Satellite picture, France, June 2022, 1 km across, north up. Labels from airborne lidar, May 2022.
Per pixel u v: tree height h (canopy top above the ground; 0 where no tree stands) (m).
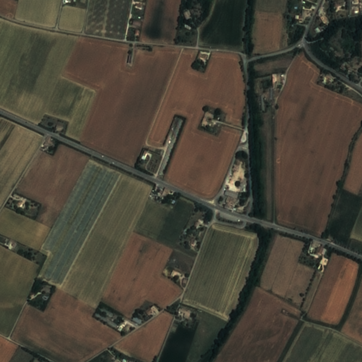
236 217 0
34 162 0
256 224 7
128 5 0
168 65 0
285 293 0
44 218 0
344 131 0
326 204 0
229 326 7
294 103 0
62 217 0
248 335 0
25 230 0
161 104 0
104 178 0
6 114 0
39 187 0
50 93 0
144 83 0
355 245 0
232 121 0
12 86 0
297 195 0
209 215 12
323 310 0
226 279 0
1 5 0
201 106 0
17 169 0
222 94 0
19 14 0
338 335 0
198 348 0
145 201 0
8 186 0
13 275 0
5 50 0
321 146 0
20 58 0
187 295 0
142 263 0
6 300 0
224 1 0
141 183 0
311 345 0
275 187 0
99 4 0
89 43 0
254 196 13
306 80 0
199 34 0
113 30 0
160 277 0
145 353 0
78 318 0
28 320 0
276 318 0
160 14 0
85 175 0
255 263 17
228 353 0
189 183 0
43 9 0
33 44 0
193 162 0
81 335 0
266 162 0
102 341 0
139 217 0
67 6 0
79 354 0
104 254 0
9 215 0
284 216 0
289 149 0
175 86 0
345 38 8
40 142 0
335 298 0
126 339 0
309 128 0
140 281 0
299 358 0
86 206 0
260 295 0
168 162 6
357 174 0
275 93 0
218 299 0
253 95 8
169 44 0
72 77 0
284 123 0
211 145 0
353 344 0
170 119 0
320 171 0
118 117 0
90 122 0
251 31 15
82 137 0
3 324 0
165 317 0
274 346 0
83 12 0
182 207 0
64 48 0
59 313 0
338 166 0
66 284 0
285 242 0
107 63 0
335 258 0
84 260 0
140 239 0
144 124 0
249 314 0
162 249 0
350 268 0
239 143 0
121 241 0
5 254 0
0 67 0
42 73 0
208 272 0
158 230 0
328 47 6
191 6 11
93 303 0
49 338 0
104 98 0
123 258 0
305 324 0
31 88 0
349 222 0
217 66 0
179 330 0
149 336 0
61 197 0
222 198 9
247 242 0
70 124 0
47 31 0
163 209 0
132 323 0
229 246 0
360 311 0
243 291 10
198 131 0
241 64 12
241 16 0
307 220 0
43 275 0
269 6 0
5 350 0
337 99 0
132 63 0
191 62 0
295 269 0
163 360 0
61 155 0
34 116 0
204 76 0
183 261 0
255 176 17
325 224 0
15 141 0
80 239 0
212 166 0
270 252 0
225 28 0
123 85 0
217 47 0
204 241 0
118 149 0
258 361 0
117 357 10
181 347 0
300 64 0
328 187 0
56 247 0
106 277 0
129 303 0
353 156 0
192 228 13
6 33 0
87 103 0
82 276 0
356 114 0
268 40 0
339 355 0
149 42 0
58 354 0
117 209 0
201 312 0
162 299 0
